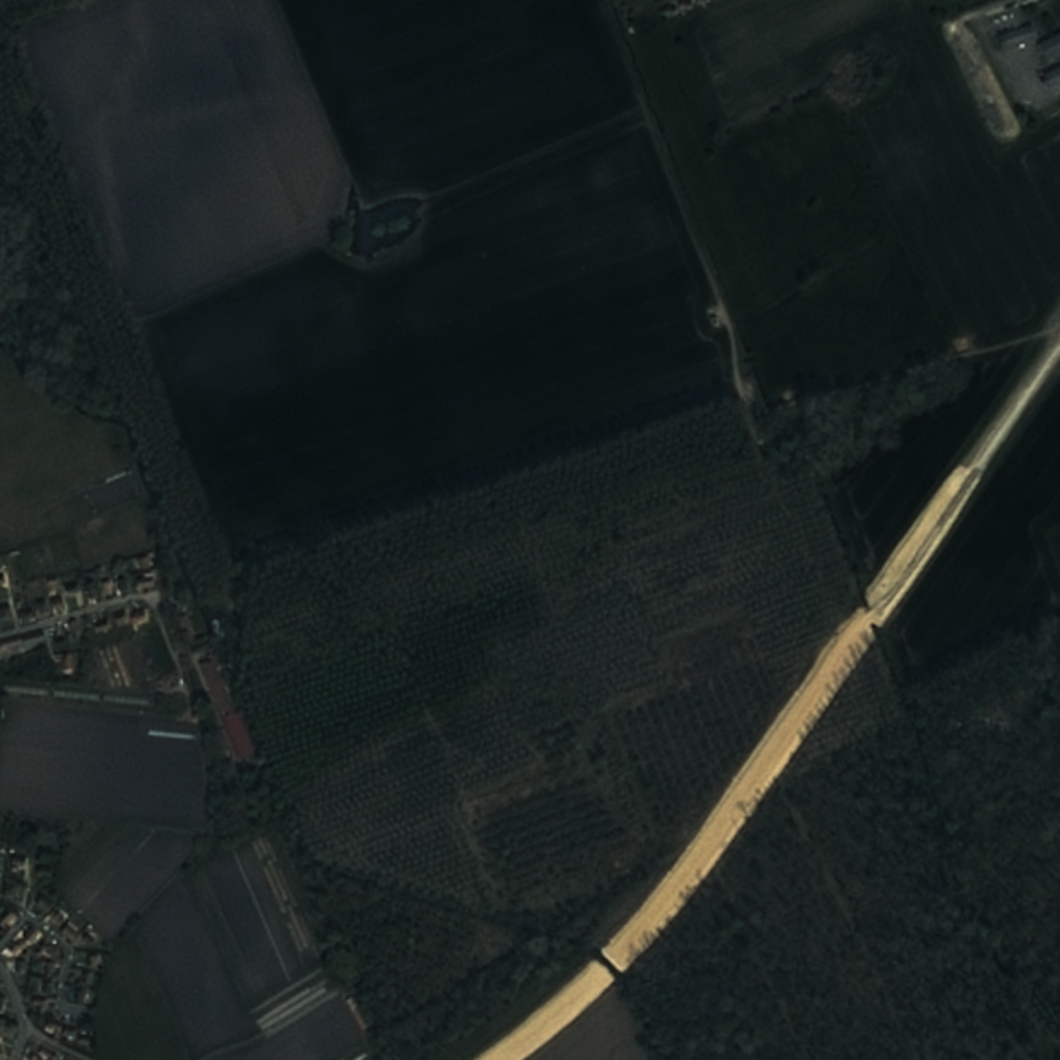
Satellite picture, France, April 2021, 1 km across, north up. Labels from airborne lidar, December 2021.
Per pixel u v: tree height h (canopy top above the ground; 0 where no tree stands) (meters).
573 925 20
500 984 17
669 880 0
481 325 0
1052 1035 38
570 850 8
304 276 0
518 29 0
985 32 0
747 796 0
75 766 0
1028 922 32
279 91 0
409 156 0
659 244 0
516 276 0
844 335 0
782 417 22
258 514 0
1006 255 0
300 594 0
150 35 0
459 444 0
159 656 0
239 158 0
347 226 14
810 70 0
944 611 0
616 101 0
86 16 0
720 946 21
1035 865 8
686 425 0
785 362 0
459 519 0
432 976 12
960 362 17
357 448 0
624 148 0
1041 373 0
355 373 0
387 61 0
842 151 0
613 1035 0
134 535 0
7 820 6
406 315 0
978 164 0
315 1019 0
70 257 0
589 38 0
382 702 31
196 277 0
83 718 0
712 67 0
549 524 32
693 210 0
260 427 0
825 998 13
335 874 11
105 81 0
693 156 0
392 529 0
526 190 0
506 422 0
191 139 0
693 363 0
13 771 0
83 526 0
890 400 26
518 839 7
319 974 0
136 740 0
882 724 23
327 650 30
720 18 0
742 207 0
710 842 0
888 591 0
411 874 26
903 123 0
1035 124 13
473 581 29
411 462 0
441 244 0
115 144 0
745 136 0
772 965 25
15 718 0
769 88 0
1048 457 0
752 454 0
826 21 0
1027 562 0
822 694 0
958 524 0
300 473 0
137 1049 0
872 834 31
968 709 29
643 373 0
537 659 23
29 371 28
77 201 30
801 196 0
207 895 0
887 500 0
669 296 0
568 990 0
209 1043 0
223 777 9
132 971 0
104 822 0
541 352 0
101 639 0
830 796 7
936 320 0
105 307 0
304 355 0
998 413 0
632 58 0
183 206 0
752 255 0
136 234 0
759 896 25
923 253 0
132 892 0
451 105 0
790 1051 8
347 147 0
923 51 0
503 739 23
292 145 0
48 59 0
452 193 0
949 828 33
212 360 0
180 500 0
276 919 0
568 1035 0
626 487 0
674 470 0
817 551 29
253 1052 0
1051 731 25
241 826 22
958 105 0
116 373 0
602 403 0
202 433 0
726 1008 28
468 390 0
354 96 0
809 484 29
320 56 0
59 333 26
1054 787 23
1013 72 0
